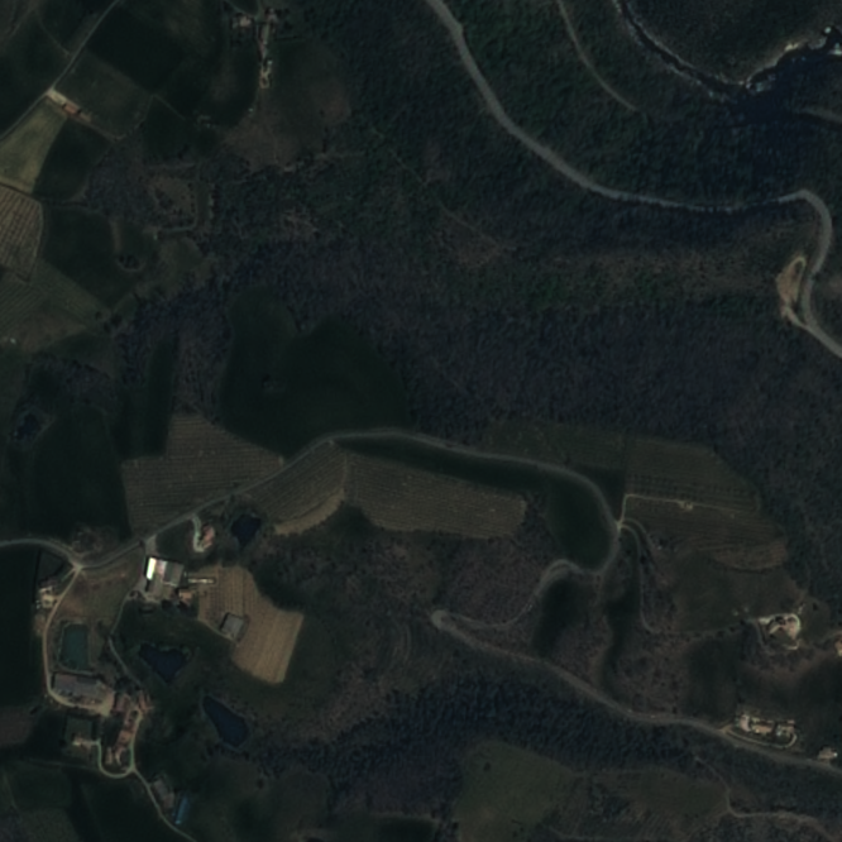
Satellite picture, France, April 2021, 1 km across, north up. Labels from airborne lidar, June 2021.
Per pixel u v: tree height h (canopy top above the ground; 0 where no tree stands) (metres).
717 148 9
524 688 18
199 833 0
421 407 10
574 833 8
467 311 13
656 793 0
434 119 9
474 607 7
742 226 10
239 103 0
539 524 10
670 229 6
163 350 0
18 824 10
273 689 0
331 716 8
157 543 0
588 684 12
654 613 9
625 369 10
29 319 0
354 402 0
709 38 7
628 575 11
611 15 7
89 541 0
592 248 8
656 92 17
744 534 0
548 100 9
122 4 0
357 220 7
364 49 9
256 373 0
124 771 0
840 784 0
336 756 21
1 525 0
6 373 0
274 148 0
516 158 8
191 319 15
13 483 0
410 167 6
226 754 10
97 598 0
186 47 0
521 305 23
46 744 0
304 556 6
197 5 0
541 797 0
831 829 8
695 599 0
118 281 0
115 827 0
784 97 7
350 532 0
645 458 0
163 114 0
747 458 12
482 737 13
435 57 8
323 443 0
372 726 17
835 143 10
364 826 0
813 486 6
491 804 0
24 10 0
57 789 0
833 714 0
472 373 15
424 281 11
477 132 10
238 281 13
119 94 0
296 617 0
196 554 0
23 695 0
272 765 14
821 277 11
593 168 12
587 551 0
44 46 0
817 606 7
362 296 14
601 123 8
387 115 11
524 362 16
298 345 0
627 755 15
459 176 7
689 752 11
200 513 0
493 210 8
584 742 15
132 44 0
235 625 0
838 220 10
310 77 0
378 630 7
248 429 0
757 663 11
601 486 0
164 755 0
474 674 17
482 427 11
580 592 0
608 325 15
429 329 13
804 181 6
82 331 0
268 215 9
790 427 10
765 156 8
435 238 7
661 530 0
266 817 0
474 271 7
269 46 8
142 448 0
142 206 9
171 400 0
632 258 8
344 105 0
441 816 9
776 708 0
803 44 0
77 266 0
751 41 14
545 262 11
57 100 0
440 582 0
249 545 8
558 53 9
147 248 0
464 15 9
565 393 14
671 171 7
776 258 7
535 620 12
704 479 0
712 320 13
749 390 13
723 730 0
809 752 10
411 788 17
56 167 0
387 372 0
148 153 0
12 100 0
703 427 12
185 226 9
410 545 8
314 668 0
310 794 0
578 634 13
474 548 10
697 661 0
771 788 11
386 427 0
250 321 0
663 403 14
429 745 22
